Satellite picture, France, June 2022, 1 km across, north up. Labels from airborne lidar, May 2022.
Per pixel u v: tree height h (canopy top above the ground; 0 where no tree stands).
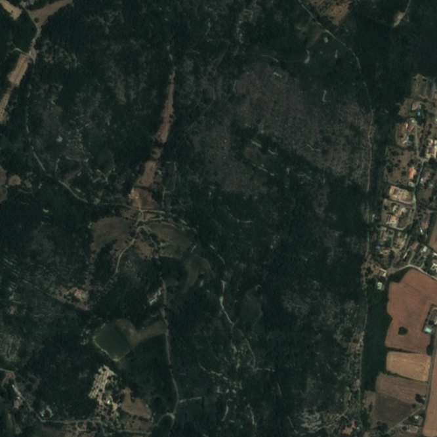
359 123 0
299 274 8
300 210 10
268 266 12
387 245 7
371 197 10
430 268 0
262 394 11
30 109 7
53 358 6
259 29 7
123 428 10
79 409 6
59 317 6
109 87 6
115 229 0
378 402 0
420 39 8
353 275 9
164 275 15
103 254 8
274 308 7
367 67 11
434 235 0
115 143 6
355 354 10
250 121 0
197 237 11
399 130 0
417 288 0
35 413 10
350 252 7
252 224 6
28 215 9
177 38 13
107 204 9
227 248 11
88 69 7
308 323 6
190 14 6
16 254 6
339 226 8
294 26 10
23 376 6
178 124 8
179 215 7
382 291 9
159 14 8
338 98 6
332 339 7
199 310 7
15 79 0
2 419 13
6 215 10
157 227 0
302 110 0
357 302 9
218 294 8
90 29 9
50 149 6
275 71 0
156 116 8
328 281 6
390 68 6
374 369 8
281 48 7
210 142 0
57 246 7
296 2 6
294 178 8
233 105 0
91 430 10
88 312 7
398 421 0
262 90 0
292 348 8
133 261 0
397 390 0
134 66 6
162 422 6
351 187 9
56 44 10
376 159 7
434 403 0
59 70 9
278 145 6
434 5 9
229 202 7
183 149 8
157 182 7
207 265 0
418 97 0
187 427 11
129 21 10
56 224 9
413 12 7
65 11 13
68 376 8
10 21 14
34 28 9
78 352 8
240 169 0
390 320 6
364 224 9
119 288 8
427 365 0
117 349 0
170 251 0
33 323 6
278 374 6
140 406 0
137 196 0
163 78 8
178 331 9
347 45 9
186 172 6
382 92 6
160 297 7
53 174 6
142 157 12
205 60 7
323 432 8
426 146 9
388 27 9
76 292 0
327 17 11
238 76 5
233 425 9
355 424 7
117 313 15
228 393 6
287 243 8
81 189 6
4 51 9
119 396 8
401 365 0
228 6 5
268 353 7
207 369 6
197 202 6
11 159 9
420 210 14
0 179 0
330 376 7
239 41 8
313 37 0
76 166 7
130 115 7
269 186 6
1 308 7
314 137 0
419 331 0
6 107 8
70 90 7
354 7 9
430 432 0
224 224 7
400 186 8
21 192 8
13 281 9
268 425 7
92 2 9
